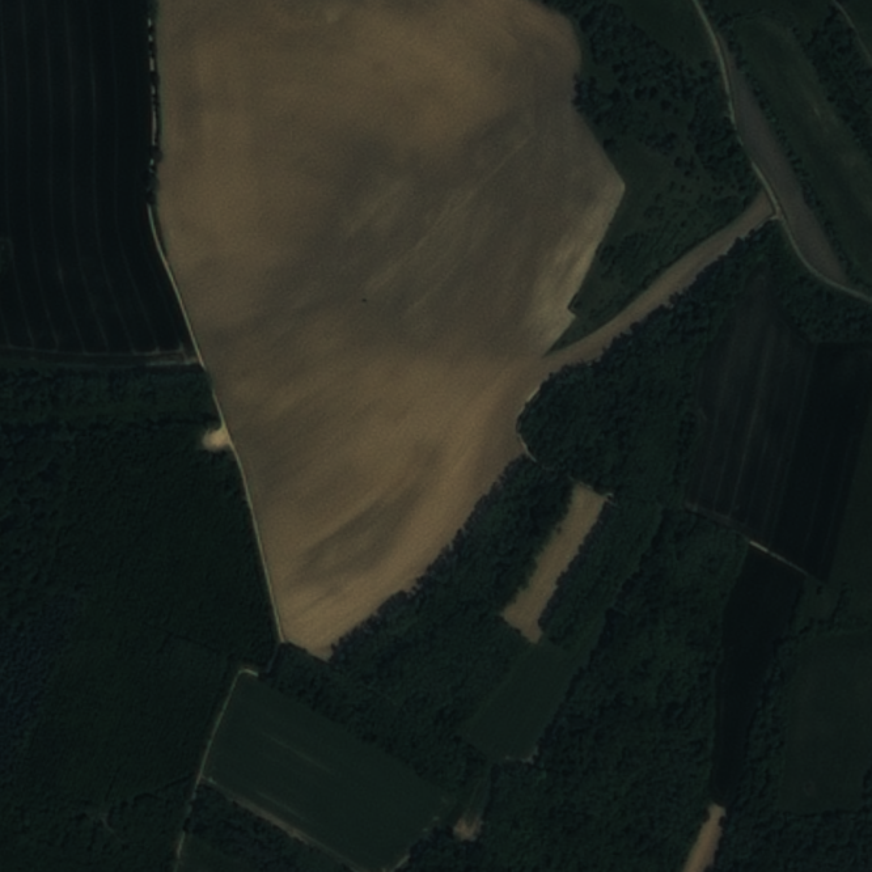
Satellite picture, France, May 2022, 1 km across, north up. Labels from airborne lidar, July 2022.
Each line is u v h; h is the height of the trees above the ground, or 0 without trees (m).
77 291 0
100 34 0
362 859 0
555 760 14
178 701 10
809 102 0
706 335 18
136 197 0
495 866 20
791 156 8
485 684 26
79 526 12
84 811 13
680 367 9
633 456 18
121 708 7
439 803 0
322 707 16
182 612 8
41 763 11
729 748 0
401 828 0
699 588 20
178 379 25
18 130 0
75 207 0
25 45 0
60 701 8
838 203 0
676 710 25
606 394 12
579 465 19
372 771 0
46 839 10
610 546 24
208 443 0
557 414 17
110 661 8
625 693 25
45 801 12
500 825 18
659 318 16
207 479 10
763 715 8
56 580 19
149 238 0
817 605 0
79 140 0
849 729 0
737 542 16
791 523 0
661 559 16
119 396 24
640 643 19
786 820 6
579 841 19
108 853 10
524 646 22
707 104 19
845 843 15
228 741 0
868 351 0
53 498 26
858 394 0
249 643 7
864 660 0
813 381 0
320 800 0
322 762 0
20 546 28
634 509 25
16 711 26
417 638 16
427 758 16
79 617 6
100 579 14
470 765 23
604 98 22
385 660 22
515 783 23
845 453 0
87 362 0
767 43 0
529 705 0
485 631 18
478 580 26
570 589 21
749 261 13
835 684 0
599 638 0
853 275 7
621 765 24
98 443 14
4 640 24
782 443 0
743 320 0
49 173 0
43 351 0
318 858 18
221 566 9
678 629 20
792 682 6
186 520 16
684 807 24
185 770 7
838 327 9
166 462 11
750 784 9
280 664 18
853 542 0
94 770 5
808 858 21
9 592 19
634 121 14
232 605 9
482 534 25
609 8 19
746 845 18
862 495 0
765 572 0
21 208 0
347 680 20
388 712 20
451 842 20
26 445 32
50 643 22
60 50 0
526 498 18
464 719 22
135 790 7
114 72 0
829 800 0
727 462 0
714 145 12
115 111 0
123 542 10
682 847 21
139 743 7
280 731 0
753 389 0
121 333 0
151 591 14
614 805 22
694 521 13
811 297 16
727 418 0
